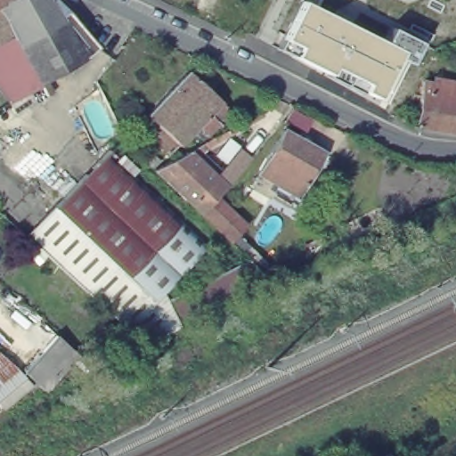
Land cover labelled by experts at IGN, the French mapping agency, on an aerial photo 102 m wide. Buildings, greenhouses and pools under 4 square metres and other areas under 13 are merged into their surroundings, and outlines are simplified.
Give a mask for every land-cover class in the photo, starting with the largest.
<instances>
[{"label":"herbaceous vegetation","instance_id":"1","mask_svg":"<svg viewBox=\"0 0 456 456\"><path fill-rule=\"evenodd\" d=\"M271 7V0H187L183 16L191 14L198 20H207L212 27L221 28L232 36L240 37L255 36L260 32L265 14ZM301 7V0H292L289 9L280 12L281 23L278 32H289L290 23L294 21ZM351 0H324L322 9L338 14ZM427 0H367L365 4L372 5L374 9L385 12L388 16H394V20L385 25L372 20L367 14H358V18L353 21L388 41L394 39L395 30L409 32L412 23L433 32L431 39L426 41L429 43V50L424 55L422 64L410 66L406 71L403 84L395 94L394 105L404 102L406 107L420 109V87L426 80H456V73L438 64L435 50L456 41V0H440L444 11L442 14H435L427 11ZM151 36L148 32L135 27L126 37L125 46L123 50H119L118 57L110 59L109 68L100 78V89L112 109L118 105L121 96L130 93L132 89L146 94L148 102L153 103L155 107H159L160 103L166 100L167 94L171 93L183 78L194 73L199 80L212 87L230 109L246 112L248 118L253 121L262 116L256 110L253 98L265 89L233 75L232 71L217 64L210 75L191 71L187 68V59L191 55H185L175 49L165 58L148 51L144 41ZM144 61L157 62L164 71V77L148 78L146 82H141L135 77V71L144 68ZM287 126V123L280 121L273 134L269 135L255 151L248 148L251 128L244 130L242 134L235 132L232 141L239 144L242 155L251 159L249 166L239 176V182L244 183L246 187L258 176V167L262 160L269 153H273L274 142L278 141L283 128ZM381 144L378 142L370 150H351L347 153L337 151L331 157L330 166L326 169V173L337 171L344 175L347 199L340 210L344 212V217L349 223L353 219L362 221L363 216H369L372 210L381 208L385 207L387 198L378 199L379 178L381 173L388 171L387 159L376 157ZM139 175L135 185L142 192H146L151 201H155L183 232L192 235L201 246L214 244V233L217 232L208 219L196 212L191 203H185L171 185H167L164 178H160L159 171L151 167L150 160H144L137 166ZM262 205L249 196L244 201V207L240 208L239 214L244 221H253ZM294 216L287 217V223L281 226V232L271 244L262 246L256 242L255 237L251 233H244V239L248 242L249 248L256 249L262 258L276 255V246L287 248L296 244L299 240L297 235L303 228ZM427 246L424 251L399 253L394 258H388L385 260L387 269H381V273L369 280L356 281L354 285L351 281L340 280L331 285L330 289L321 290L317 294H306L305 299H301V317L297 321V326L292 324L289 313L281 312V299L290 296V287H281L274 294H258L248 306L232 310L226 315L223 328L217 331L216 338L219 344L216 346V356H212V360L205 356L194 358L187 365L185 372L176 369L173 362L171 369L160 372L159 379L141 388L134 397H121L118 404L94 401L89 404V413H82L75 406L64 403L59 408L48 411L46 415L32 420L28 419L27 411L34 408L39 401H43L46 392L30 390L12 408L0 411V456H84L87 452L93 451L94 445H107L114 436L123 435L130 427L139 426L157 413L164 415L167 411L182 410L180 404L194 401L198 395L205 394L210 388V383L223 385L224 381L239 378L249 370L253 374L267 372V369L280 365L281 358L292 353L299 344H310L317 338L330 337L338 326L347 328L351 322L360 321L385 306L420 294L422 290L440 287L445 281L456 278V221L444 230L435 228L431 232H426ZM0 287L2 296L20 297L21 305L27 306L30 312L39 315L41 322L59 337L66 340L69 346L82 356L89 347L96 344L94 331L84 330V321L89 319V310L84 308L85 301L93 294L82 289L77 281L64 269L53 264L52 260L37 265L36 260L32 264L4 269L0 237ZM394 374L383 379L379 387L362 385L351 394H347L346 401H335L326 408L305 411L297 419L292 420L289 426L274 427L271 431L255 436L219 456H315V447L322 445L326 451L335 445H349L351 442H356L363 451L369 452L372 456H392L395 452V438L413 435L420 427L426 426V420L431 417L438 422V427L445 438H456V346L444 353H435L433 356L426 354L415 362H408L403 367L392 370Z\"/></svg>","mask_w":456,"mask_h":456},{"label":"building","instance_id":"2","mask_svg":"<svg viewBox=\"0 0 456 456\"><path fill-rule=\"evenodd\" d=\"M103 46L100 45V41L62 0H0V102L4 103L7 100L11 105L27 94L43 91L53 82H59L61 78L69 77L73 71L82 68L94 52H102ZM324 0H301V7L294 21L290 23L289 32H278L274 34V43H280L278 50L289 55L290 59L315 69L317 73L331 78L340 87L367 98L383 109L394 105L395 94L403 84L406 71L410 66L422 64L424 55L429 50V43L426 41L431 39L433 32L412 23L409 32L395 30L394 39L388 41L353 21L346 20L338 14L322 9ZM427 11L435 14H442L444 11L440 0H427ZM230 109L212 87L199 80L194 73L183 78L171 93L167 94L166 100L160 103L159 107H155L151 112V118L160 128L162 155L169 159L176 150L182 153L180 162L159 171L160 178H164L167 185H171L185 203H191L196 212L208 219L217 232L224 235L230 244H237L240 249H244L253 256V260L262 258L256 249L249 248L248 242L244 239V233H251L255 237L253 221H244L239 214L224 203L223 198L235 183L239 182V176L249 166L251 159L242 155L239 144L232 141L235 132H228L221 139L210 141V135L226 123V112ZM420 109L419 125L436 130L438 134H456V80H426L420 87ZM317 121L294 109L287 123V125L294 123L310 132L317 130ZM331 157L324 148L292 132L287 126L283 128L278 141L274 142L273 153H269L262 160L258 167V176L246 187L244 192L249 196L262 205H269L287 217L294 216L297 207L303 203L305 192L310 191L319 173L326 169L330 166ZM139 175L137 166L132 160L126 159L121 151L112 150L102 167L87 169L89 180L82 187L75 189L69 196H61L55 201L59 210L46 217L41 226H37L34 233L27 237L28 240H32L34 246L41 249L36 260L37 265L52 260L53 264L64 269L77 281L82 289L93 294L100 292L118 301L119 319L134 326L135 330H144L150 338L151 346H155L162 338L167 337L169 331L180 330V321L191 310V306L180 299L169 301V292L175 289L182 274L192 269L199 256L203 255L201 246L192 235L183 232L155 201H151L146 192H142L135 185ZM385 217L381 208L372 210L369 216H363L362 221L353 219L349 223L351 232H363L369 230L370 221L379 224ZM324 248L322 239H319L308 242V251L315 253ZM240 265L237 264L217 278L214 287L203 292L201 299L205 303L226 301V297L230 296L233 280L239 278ZM82 356L69 346L66 340L59 337L46 353L39 354V358H34L30 354L23 372L0 353V411L12 408L30 390L46 392H50L61 383L71 365L78 362Z\"/></svg>","mask_w":456,"mask_h":456},{"label":"deciduous trees","instance_id":"3","mask_svg":"<svg viewBox=\"0 0 456 456\"><path fill-rule=\"evenodd\" d=\"M148 51L165 58L175 49L151 36L144 41ZM438 64L456 73V41L435 50ZM217 64L205 55H191L187 59V68L191 71L210 75ZM135 77L141 82H146L148 78L164 77V71L157 62L144 61V68L135 71ZM155 107L153 103L148 102L146 94L132 89L130 93L121 96L118 105L112 109L116 116L114 126V135L109 139L112 150L121 151L126 159L132 160L137 166L144 160H150L151 167L159 171L180 162L182 153L176 150L169 159L162 155L160 128L151 118V112ZM256 110L262 116L278 109L280 103L278 94L274 93L273 89H265L253 98ZM392 116L399 119L406 128H417L419 125L420 109L406 107L404 102L394 105ZM253 121L248 118L246 112L230 109L226 112V123L210 135V141L221 139L228 132H235L242 134L244 130L251 128ZM351 150H370L378 142L370 135L353 132L347 135ZM447 183V196H442L436 207L427 208L417 216L411 217L410 223H394L392 219L385 217L379 224L370 221L369 230L363 232H351L349 223L344 217V212L340 210L347 199L344 175L337 171L326 173V169L319 173L310 191L305 192L303 203L297 207L294 216L303 228L297 235L299 240L296 244L287 248L276 246V255L262 258L253 260V256L244 249H240L237 244H230L224 235L217 232L214 233V244L201 246L203 255L199 256L192 269L182 274L175 289L169 292V301L180 299L191 306V310L180 321V330L169 331L167 337L162 338L155 346H151L150 338L144 330H135L134 326L119 319L118 301L100 292L93 294L85 301L84 308L89 310V319L84 321V330L94 331L96 344L89 347L82 356L78 362L71 365L61 383L50 392H46L43 401H39L34 408L27 411L28 419L32 420L46 415L48 411L59 408L64 403L75 406L82 413H89V404L94 401L118 404L121 397H134L141 388L159 379L160 372L171 369L173 362L176 369L185 372L187 365L194 358L205 356L212 360V356H216V346L219 344L216 338L217 331L223 328L226 315L232 310L248 306L258 294H274L281 287H290V296L281 299V312L289 313L292 324L297 326V321L301 317V299H305L306 294H317L321 290L330 289L331 285L340 280L351 281L354 285L356 281L369 280L381 273V269H387L385 260L388 258H394L399 253L424 251L427 246L426 232H431L435 228L444 230L456 221V178H442ZM319 239H322L324 248L315 253L308 251V242ZM237 264L240 265L239 278L233 280L230 296L226 297V301L205 303L201 299L203 292L214 287L217 278ZM246 187L244 183L239 182L235 183L223 198L224 203L239 214L240 208L244 207V201L249 196L244 192ZM0 237L4 269L32 264L36 260L41 249L34 246L32 240H28L27 237L20 230L9 228L7 219L0 214ZM395 452L392 456H456V438H445L438 427V422L431 417L426 420V426L420 427L413 435L395 438ZM315 456H372L369 452L363 451L356 442H351L349 445H335L326 451L322 445L315 447Z\"/></svg>","mask_w":456,"mask_h":456},{"label":"impervious surface","instance_id":"4","mask_svg":"<svg viewBox=\"0 0 456 456\"><path fill-rule=\"evenodd\" d=\"M100 41V45L103 46L102 52H94L82 68L73 71L69 77L61 78L59 82H53L43 91L27 94L11 105L7 100L4 103L0 102V214L7 219L9 228L20 230L27 237L34 233L37 226H41L46 217L59 210L55 201L61 196H69L75 189L82 187L89 180L87 169L102 167L112 150L109 139L93 134V128L85 116V107L89 103H100L110 125L114 126L116 116L112 109L100 89V78L109 68L110 59L118 57L119 50H123L125 46L126 37L135 27L148 32L151 36L175 49L185 55H205L217 64L232 71L233 75L265 89H273L274 93L278 94L280 103L278 109L262 116L253 121L251 128L248 148L255 151L269 135L273 134L280 121L287 123L294 109V105L301 103L319 110L324 116L333 119L335 126L330 128L317 121V130L310 132L294 123L287 125V126L292 132L324 148L331 157L337 151L347 153L351 150L347 135L353 132L370 135L378 142L381 144L420 162H456V134H438L436 130L419 125L417 128H406L399 119L392 116L394 105L383 109L367 98L340 87L331 78L317 73L315 69L290 59L289 55L278 50L280 43H274V34L278 32L281 23L280 12L289 9L292 0H271V7L265 14L260 32L255 36L240 37L232 36L221 28L212 27L207 20H198L191 14L183 16L187 0H62ZM367 0H351L338 14L346 20L353 21L358 18V14H367L372 20L385 25L394 20V16H388L385 12L374 9L372 5L365 4ZM442 196H447V183L442 178L420 175L410 167L403 166H399L392 175L388 171L381 173L379 178L378 199L387 198L385 207L381 208L385 217L392 219L394 223H410L411 217L417 216L427 208L436 207Z\"/></svg>","mask_w":456,"mask_h":456},{"label":"pervious surface","instance_id":"5","mask_svg":"<svg viewBox=\"0 0 456 456\"><path fill-rule=\"evenodd\" d=\"M456 346V278L445 281L440 287L422 290L420 294L385 306L360 321L351 322L347 328L338 326L330 337L317 338L310 344H299L292 353L281 358L280 365L267 369V372L253 374L249 370L239 378L224 381L223 385L210 383V388L205 394L198 395L194 401L180 404L182 410L167 411L164 415L157 413L139 426L130 427L123 435L114 436L107 445H94L93 451L87 452L84 456H219L255 436L271 431L274 427L289 426L292 420L297 419L305 411L326 408L335 401H346L347 394H351L362 385L379 387L383 379L394 374L392 370L403 367L408 362H415L426 354L433 356L435 353H444ZM59 337L41 322L39 315L30 312L27 306L21 305L20 297L2 296L0 287V353L23 372L30 354L34 358H39V354L46 353Z\"/></svg>","mask_w":456,"mask_h":456},{"label":"swimming pool","instance_id":"6","mask_svg":"<svg viewBox=\"0 0 456 456\"><path fill-rule=\"evenodd\" d=\"M85 116L93 128V134L109 139L114 135V126L110 125L100 103H89L85 107ZM255 237L256 242L262 246L271 244L281 232V226L287 223V217L269 205H262L253 221Z\"/></svg>","mask_w":456,"mask_h":456},{"label":"brushwood","instance_id":"7","mask_svg":"<svg viewBox=\"0 0 456 456\"><path fill-rule=\"evenodd\" d=\"M294 109L317 121L330 128L335 126L333 119L324 116L319 110L301 103L294 105ZM376 157L387 159L388 171L392 175L399 166H403L410 167L420 175L442 178H456V162H420L381 144Z\"/></svg>","mask_w":456,"mask_h":456}]
</instances>
